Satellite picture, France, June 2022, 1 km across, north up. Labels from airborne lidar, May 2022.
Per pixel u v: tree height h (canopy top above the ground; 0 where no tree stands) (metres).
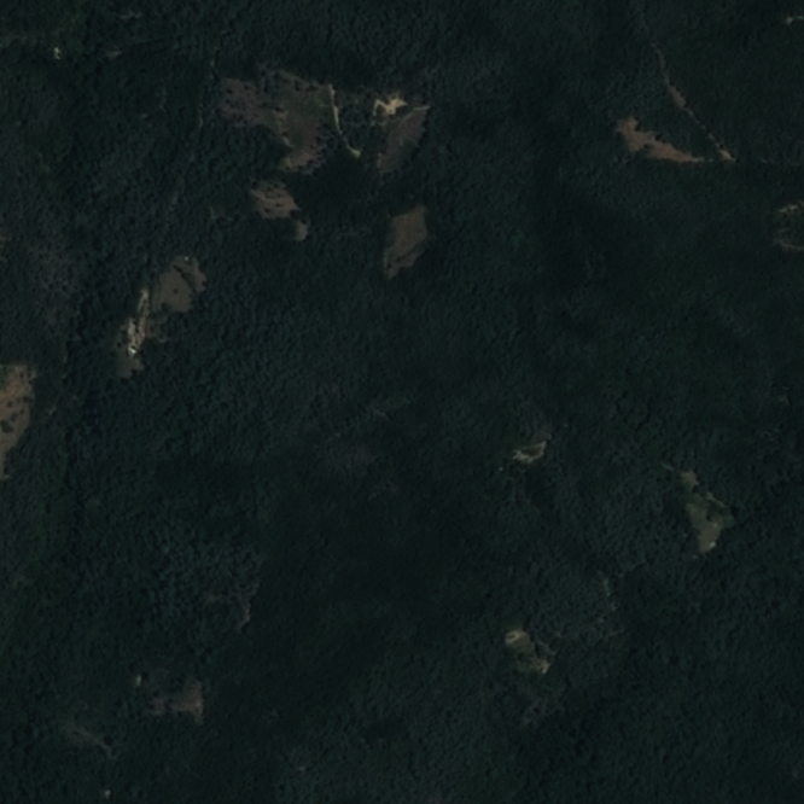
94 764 11
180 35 17
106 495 11
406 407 16
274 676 17
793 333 15
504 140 21
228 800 24
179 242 13
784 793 14
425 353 12
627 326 17
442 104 17
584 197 14
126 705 17
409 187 14
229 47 16
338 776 20
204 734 15
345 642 17
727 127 9
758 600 16
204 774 14
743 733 14
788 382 20
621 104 11
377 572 18
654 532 29
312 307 11
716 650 11
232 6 15
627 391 22
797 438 14
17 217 14
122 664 10
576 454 18
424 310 12
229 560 17
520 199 17
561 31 15
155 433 25
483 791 15
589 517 17
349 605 17
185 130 17
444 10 12
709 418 16
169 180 16
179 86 16
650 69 17
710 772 11
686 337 22
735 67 14
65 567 19
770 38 12
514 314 19
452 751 17
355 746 21
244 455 24
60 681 14
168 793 16
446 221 14
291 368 18
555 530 13
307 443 16
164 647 9
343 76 14
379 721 26
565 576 21
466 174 21
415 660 17
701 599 15
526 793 19
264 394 17
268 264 11
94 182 22
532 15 17
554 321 20
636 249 13
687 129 16
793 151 15
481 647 29
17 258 10
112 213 25
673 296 11
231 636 15
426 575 19
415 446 19
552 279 21
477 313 28
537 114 18
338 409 12
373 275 10
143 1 14
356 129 12
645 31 14
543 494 14
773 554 16
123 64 18
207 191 11
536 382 15
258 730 21
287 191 12
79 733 7
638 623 15
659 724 16
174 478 18
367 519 14
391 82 11
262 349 20
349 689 19
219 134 12
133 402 30
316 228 10
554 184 18
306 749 22
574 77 22
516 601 16
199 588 12
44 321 12
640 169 12
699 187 14
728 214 15
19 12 9
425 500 14
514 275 20
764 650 11
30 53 22
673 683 12
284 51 14
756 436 28
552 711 10
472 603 13
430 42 13
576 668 17
